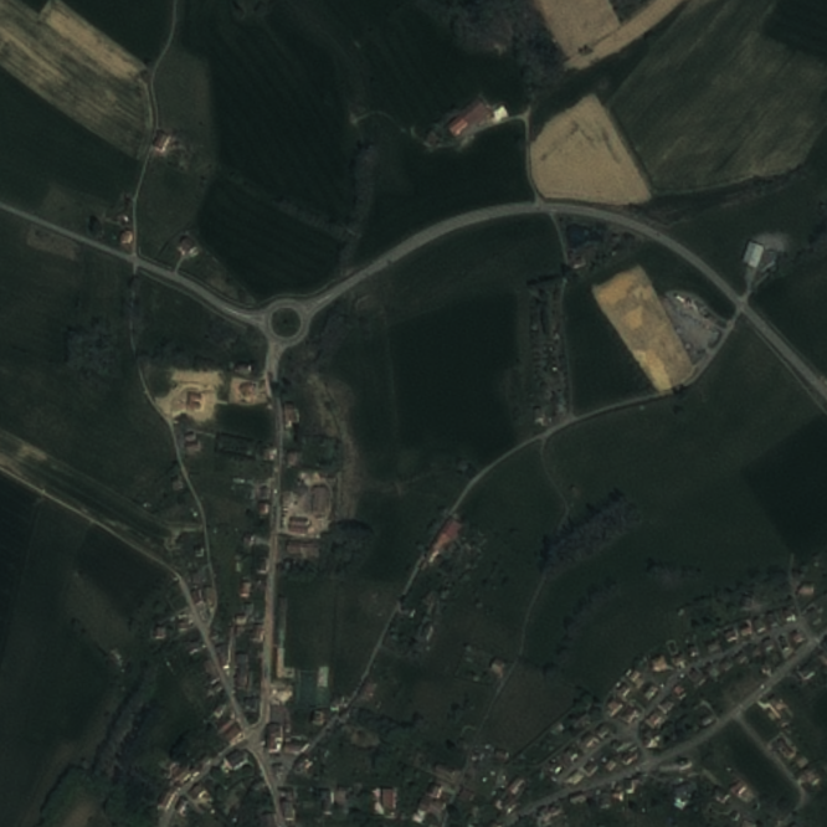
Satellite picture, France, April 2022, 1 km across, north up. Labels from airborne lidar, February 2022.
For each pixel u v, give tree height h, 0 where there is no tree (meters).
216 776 13
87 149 0
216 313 0
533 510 0
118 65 0
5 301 0
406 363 0
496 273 0
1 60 0
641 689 0
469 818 5
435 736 0
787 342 0
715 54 0
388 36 0
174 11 0
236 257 0
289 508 0
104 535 0
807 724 0
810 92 0
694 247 0
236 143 0
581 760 0
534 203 0
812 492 0
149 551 0
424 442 0
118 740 22
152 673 21
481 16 16
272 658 0
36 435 0
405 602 9
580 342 0
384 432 0
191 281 0
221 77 0
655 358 0
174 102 0
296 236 0
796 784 0
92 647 0
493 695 0
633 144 0
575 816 0
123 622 0
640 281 0
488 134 0
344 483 0
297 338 0
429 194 0
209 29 0
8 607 0
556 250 0
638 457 0
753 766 0
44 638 0
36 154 0
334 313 9
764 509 0
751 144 0
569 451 0
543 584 0
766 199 0
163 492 0
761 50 0
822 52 0
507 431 0
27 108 0
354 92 0
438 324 0
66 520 0
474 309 0
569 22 0
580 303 0
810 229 0
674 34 0
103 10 0
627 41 0
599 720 15
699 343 0
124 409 0
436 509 0
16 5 0
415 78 0
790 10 0
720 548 0
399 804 0
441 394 0
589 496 0
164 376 0
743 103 0
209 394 0
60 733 0
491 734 0
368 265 0
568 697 0
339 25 0
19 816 0
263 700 0
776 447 0
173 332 0
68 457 0
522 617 0
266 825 0
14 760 0
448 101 0
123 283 0
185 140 12
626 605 0
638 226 0
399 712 0
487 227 0
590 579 0
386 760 18
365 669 0
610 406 0
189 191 0
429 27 0
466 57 0
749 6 0
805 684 0
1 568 0
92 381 25
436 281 0
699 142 0
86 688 0
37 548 0
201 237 0
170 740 0
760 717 0
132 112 0
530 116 0
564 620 0
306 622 0
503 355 0
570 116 0
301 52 0
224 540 0
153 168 0
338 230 18
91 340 29
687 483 0
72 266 0
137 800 20
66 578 0
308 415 0
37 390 0
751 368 0
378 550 0
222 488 0
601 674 0
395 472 0
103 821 0
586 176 0
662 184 0
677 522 0
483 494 0
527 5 26
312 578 12
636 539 0
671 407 0
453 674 0
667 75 0
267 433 0
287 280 0
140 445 0
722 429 0
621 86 0
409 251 0
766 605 0
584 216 0
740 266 0
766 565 0
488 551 0
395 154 0
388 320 0
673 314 0
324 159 0
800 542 0
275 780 0
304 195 0
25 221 0
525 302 0
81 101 0
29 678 0
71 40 0
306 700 0
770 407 0
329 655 0
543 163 0
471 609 0
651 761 0
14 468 0
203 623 0
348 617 0
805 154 0
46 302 0
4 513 0
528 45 17
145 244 0
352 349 0
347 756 0
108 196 0
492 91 0
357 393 0
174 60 0
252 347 0
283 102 0
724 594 11
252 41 0
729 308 0
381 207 0
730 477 0
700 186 0
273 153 0
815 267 0
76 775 14
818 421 0
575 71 0
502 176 0
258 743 0
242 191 0
